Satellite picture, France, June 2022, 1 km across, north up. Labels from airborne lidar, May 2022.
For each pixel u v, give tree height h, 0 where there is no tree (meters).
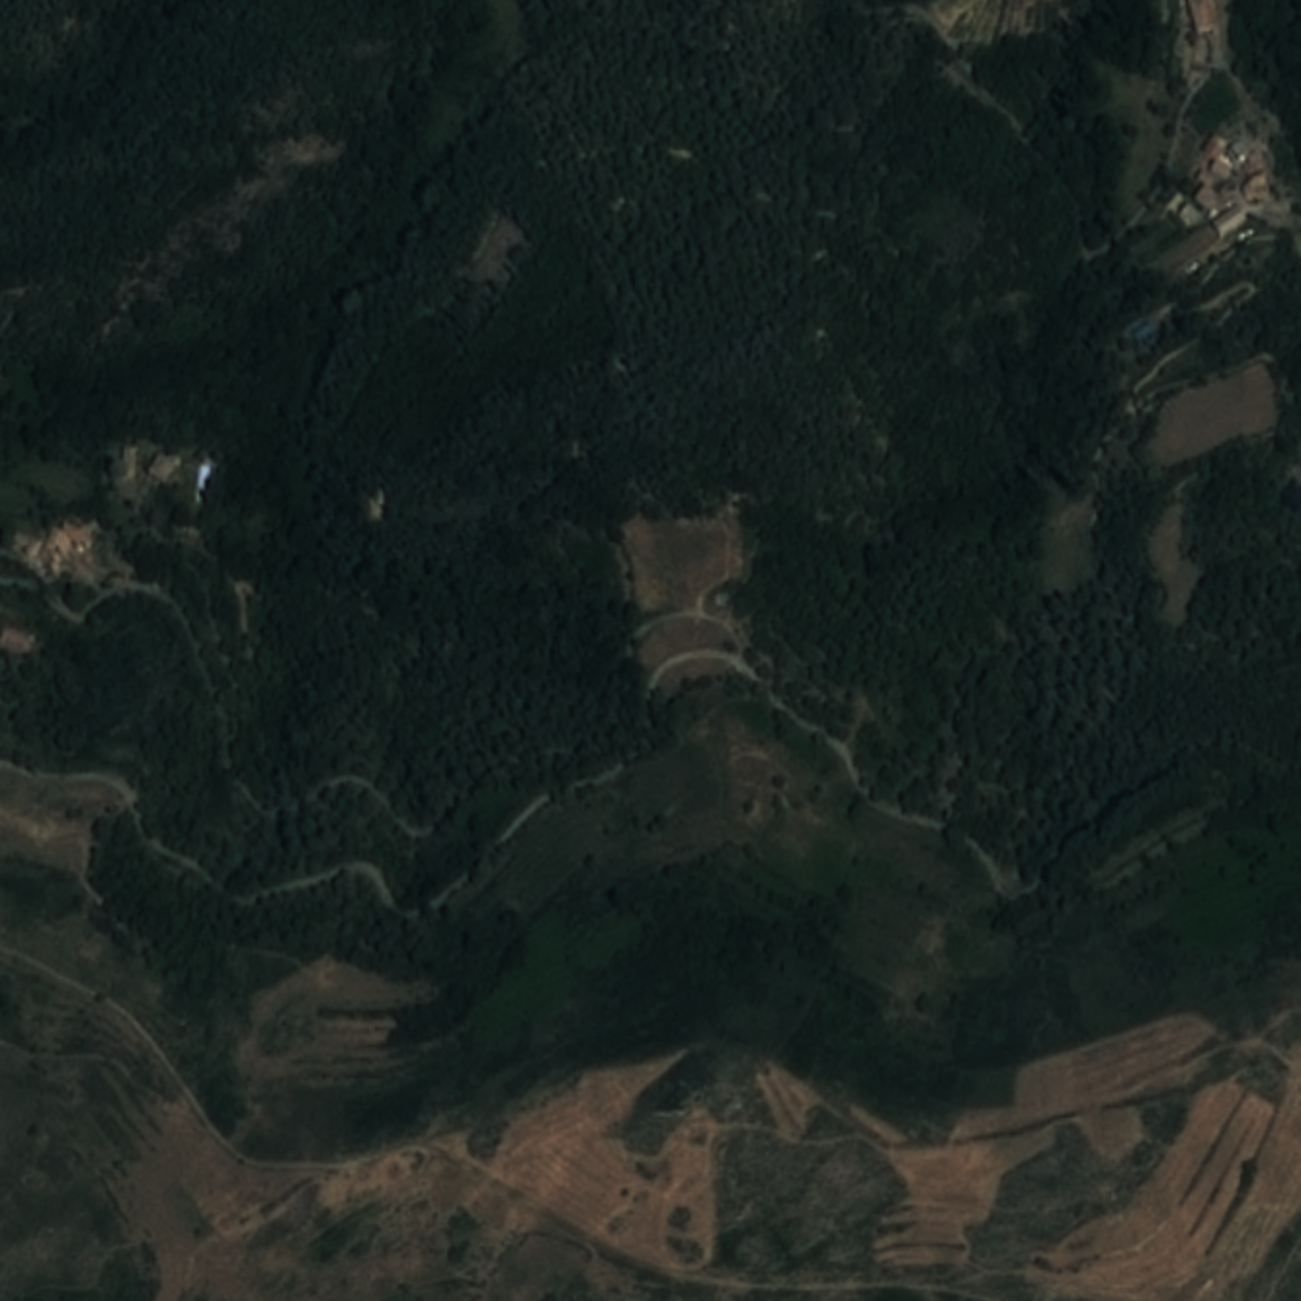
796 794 0
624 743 11
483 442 16
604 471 9
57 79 13
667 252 11
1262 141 0
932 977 0
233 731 7
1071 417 6
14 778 0
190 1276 0
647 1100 0
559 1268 0
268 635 17
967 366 5
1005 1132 0
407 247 16
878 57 8
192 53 14
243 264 16
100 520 9
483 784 16
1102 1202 0
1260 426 0
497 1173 0
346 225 24
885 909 0
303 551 10
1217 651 13
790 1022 0
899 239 13
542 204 18
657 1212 0
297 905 10
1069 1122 0
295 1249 0
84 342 11
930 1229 0
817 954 9
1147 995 0
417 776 16
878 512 15
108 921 11
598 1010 0
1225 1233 0
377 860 9
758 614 8
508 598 14
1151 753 16
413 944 18
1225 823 7
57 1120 0
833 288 13
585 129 6
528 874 0
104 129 15
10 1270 0
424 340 9
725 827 0
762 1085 0
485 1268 0
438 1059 0
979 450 11
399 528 14
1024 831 10
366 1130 0
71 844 0
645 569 0
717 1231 0
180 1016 0
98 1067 0
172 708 10
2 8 13
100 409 23
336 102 10
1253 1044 0
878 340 7
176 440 9
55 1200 0
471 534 14
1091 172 17
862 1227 0
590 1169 0
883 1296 0
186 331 13
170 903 7
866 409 9
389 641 13
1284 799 19
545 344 6
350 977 0
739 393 12
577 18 13
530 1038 0
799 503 11
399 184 11
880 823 0
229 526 9
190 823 11
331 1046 0
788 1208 0
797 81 7
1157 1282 0
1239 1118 0
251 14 14
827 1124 0
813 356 12
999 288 10
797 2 6
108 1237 0
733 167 15
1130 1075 0
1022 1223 0
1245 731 15
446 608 27
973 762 17
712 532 0
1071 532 0
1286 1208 0
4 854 0
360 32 12
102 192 14
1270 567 7
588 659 15
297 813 9
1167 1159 0
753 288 9
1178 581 0
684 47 10
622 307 15
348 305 23
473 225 16
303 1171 0
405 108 18
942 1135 0
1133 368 7
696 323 10
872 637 11
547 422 14
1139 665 15
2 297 9
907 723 10
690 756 0
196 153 13
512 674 11
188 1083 0
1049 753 19
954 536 15
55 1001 0
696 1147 0
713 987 0
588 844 0
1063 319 13
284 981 0
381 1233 0
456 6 16
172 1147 0
